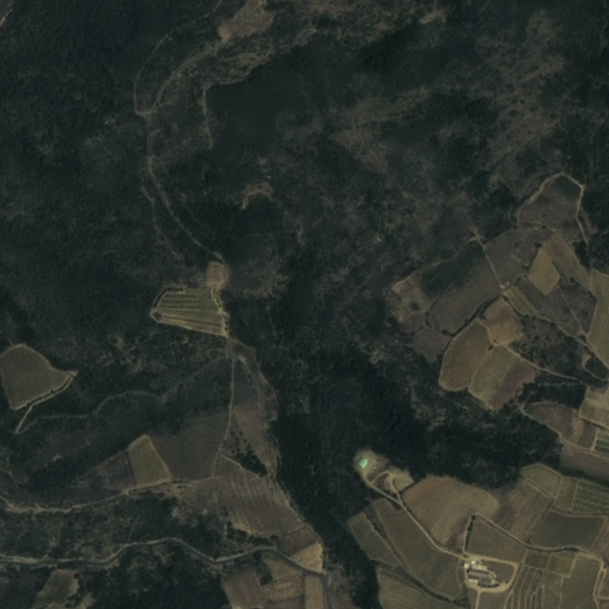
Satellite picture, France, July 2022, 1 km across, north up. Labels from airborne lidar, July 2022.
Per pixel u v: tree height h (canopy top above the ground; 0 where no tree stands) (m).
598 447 0
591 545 0
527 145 0
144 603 7
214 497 0
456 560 0
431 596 0
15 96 6
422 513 0
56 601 0
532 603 0
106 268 6
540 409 0
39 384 0
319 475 8
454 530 0
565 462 0
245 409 0
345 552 7
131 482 0
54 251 7
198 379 6
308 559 0
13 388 0
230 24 0
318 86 0
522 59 0
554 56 0
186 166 10
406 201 0
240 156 0
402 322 0
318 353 10
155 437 0
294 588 0
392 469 0
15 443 6
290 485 11
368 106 0
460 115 9
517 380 0
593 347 0
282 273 6
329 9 0
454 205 0
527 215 0
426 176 0
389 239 6
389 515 0
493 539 0
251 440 0
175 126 0
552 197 0
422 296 0
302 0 0
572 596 0
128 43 7
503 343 0
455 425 7
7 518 6
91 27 8
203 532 8
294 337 11
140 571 6
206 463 0
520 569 0
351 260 0
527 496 0
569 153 6
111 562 0
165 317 0
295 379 8
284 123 0
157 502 7
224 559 0
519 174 0
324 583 0
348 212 0
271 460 0
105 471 0
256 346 7
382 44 11
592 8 10
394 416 25
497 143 0
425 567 0
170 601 6
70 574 0
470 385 0
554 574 0
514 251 0
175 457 0
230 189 0
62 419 6
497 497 0
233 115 0
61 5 6
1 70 6
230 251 7
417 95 0
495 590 0
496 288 0
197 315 0
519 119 0
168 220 7
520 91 0
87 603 0
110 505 0
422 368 6
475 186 8
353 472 7
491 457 9
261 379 0
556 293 0
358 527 0
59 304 6
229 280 0
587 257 6
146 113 0
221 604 6
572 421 0
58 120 5
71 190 9
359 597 9
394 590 0
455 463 6
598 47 8
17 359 0
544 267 0
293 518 0
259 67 6
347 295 0
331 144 7
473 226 0
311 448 15
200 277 0
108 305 6
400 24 8
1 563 0
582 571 0
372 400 11
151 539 6
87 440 0
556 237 0
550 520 0
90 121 6
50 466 6
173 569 11
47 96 6
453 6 7
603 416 0
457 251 0
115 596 7
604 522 0
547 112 0
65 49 5
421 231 0
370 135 0
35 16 6
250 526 0
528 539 0
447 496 0
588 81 8
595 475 0
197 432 0
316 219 0
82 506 0
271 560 0
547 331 0
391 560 0
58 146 7
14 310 10
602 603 0
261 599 0
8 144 6
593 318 0
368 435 6
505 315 0
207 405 7
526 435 6
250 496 0
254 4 0
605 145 7
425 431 7
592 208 10
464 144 7
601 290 0
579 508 0
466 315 0
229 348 0
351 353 12
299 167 0
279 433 10
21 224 8
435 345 0
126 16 6
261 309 7
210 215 8
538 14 0
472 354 0
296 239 8
